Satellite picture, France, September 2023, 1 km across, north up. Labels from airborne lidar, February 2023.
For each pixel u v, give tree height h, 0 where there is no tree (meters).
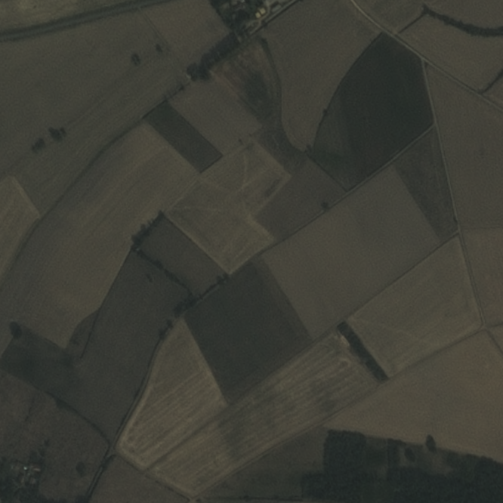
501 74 6
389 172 0
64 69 0
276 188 0
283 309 0
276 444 0
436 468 0
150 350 0
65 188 0
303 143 0
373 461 0
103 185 0
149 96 0
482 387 0
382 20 0
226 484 0
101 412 0
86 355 0
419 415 0
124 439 0
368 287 0
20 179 0
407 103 0
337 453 16
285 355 0
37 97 0
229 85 0
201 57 0
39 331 0
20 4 0
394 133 0
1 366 0
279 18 0
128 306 0
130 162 0
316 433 0
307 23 0
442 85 0
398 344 0
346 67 0
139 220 0
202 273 0
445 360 0
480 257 0
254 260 0
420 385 0
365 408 0
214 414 0
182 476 0
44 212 0
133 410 0
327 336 0
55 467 0
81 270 0
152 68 0
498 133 0
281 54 0
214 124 0
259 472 0
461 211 0
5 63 0
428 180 0
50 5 0
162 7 0
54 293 0
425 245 0
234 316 0
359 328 0
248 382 0
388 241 0
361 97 0
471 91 0
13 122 0
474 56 0
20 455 0
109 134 0
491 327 0
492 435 0
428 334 0
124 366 0
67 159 0
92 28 0
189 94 0
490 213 0
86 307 0
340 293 0
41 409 0
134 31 0
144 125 0
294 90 0
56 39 0
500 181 0
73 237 0
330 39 0
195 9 0
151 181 0
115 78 0
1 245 0
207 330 0
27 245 0
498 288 0
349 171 0
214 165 0
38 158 0
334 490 18
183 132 0
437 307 0
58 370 0
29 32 0
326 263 0
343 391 0
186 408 0
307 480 7
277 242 0
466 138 0
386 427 0
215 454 0
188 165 0
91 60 0
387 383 0
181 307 9
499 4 0
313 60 0
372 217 0
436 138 0
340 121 0
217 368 0
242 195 0
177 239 0
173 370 0
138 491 0
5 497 19
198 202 0
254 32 0
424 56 0
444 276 0
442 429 0
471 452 0
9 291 0
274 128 0
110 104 0
